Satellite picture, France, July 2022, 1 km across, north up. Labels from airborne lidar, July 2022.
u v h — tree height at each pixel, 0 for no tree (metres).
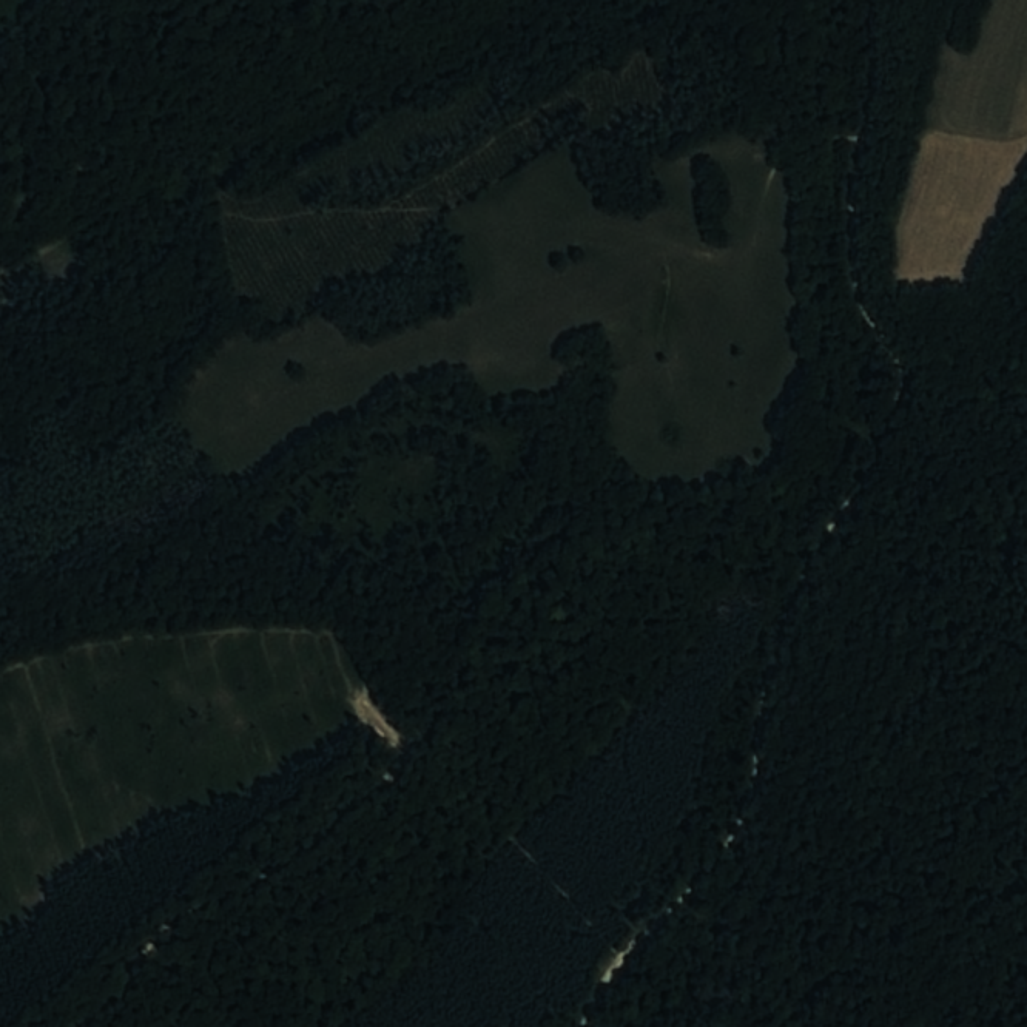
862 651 28
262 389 0
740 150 0
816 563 24
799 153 17
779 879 31
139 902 21
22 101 28
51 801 0
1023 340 25
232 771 0
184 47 32
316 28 16
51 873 0
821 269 23
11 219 25
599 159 25
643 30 25
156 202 24
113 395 25
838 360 27
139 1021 31
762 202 0
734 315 0
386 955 35
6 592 28
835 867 24
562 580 31
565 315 0
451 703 32
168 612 25
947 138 0
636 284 0
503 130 8
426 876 36
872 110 21
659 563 28
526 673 30
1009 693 27
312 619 27
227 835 20
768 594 28
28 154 30
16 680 0
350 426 24
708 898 28
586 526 27
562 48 31
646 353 0
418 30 22
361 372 0
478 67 23
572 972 22
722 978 23
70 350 27
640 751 24
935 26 16
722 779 29
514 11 24
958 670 29
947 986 25
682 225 0
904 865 28
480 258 0
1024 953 24
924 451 19
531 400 19
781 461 25
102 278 12
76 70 30
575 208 0
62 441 29
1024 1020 17
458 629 25
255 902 31
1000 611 29
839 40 20
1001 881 29
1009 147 0
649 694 33
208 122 19
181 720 0
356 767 33
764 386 0
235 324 24
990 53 0
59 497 31
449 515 9
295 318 17
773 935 24
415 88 21
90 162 29
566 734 27
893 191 19
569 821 23
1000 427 29
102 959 29
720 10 26
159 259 18
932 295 21
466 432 22
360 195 6
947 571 24
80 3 31
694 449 0
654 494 27
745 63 29
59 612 26
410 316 21
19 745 0
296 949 34
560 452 24
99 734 15
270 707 0
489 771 33
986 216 0
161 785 0
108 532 26
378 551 22
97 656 0
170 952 32
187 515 23
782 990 27
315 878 33
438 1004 25
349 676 0
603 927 25
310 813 33
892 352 15
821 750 24
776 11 29
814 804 33
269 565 27
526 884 23
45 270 14
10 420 24
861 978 29
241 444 0
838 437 23
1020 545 28
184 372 27
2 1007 21
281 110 31
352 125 22
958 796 26
